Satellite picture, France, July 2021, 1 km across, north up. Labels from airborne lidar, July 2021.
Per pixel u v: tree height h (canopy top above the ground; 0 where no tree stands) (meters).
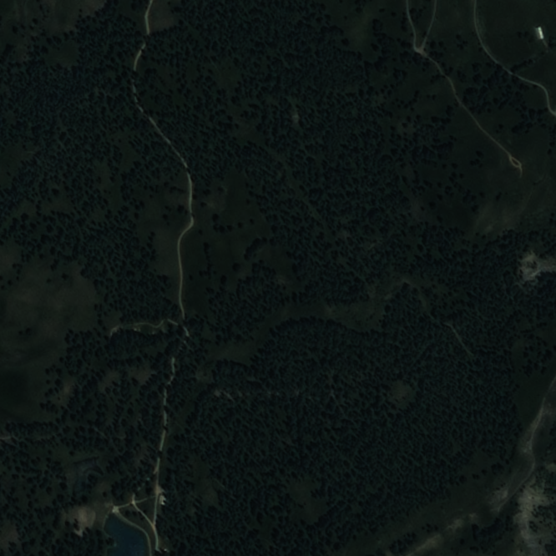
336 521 22
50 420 0
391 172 25
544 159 0
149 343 18
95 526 0
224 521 26
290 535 22
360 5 12
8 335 0
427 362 13
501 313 16
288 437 10
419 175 16
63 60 0
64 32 0
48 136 18
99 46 17
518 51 0
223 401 22
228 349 0
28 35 0
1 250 0
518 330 7
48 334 0
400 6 0
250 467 24
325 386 15
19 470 21
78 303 0
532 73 0
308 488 0
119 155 18
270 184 18
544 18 0
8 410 0
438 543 0
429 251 20
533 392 0
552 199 0
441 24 0
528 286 10
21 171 9
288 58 20
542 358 7
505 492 0
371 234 28
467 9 0
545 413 0
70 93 16
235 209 0
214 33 22
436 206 17
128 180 18
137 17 0
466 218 0
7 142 15
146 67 0
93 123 19
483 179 0
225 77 0
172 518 24
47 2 0
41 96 19
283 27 22
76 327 0
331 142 25
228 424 25
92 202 20
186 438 25
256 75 16
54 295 0
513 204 0
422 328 16
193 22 17
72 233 20
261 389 24
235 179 0
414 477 19
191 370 25
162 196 0
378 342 25
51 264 0
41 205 11
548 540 0
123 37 17
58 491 0
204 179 17
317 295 21
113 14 13
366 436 25
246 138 0
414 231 13
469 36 0
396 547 17
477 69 19
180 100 0
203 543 27
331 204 19
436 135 20
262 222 0
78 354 17
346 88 16
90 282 0
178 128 18
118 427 20
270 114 20
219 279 0
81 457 0
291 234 20
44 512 23
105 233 24
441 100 0
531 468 0
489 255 15
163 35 18
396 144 18
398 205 19
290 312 0
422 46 0
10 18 0
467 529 0
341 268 15
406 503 22
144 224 0
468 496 0
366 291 20
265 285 18
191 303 0
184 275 0
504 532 13
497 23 0
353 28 0
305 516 0
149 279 25
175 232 0
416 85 0
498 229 0
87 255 16
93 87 21
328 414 18
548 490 9
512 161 0
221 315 22
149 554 0
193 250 0
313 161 24
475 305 21
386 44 19
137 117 20
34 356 0
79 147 25
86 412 21
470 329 19
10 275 0
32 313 0
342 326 24
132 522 0
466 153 0
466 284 16
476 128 0
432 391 18
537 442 0
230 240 0
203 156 23
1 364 0
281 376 9
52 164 14
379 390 20
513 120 0
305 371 24
